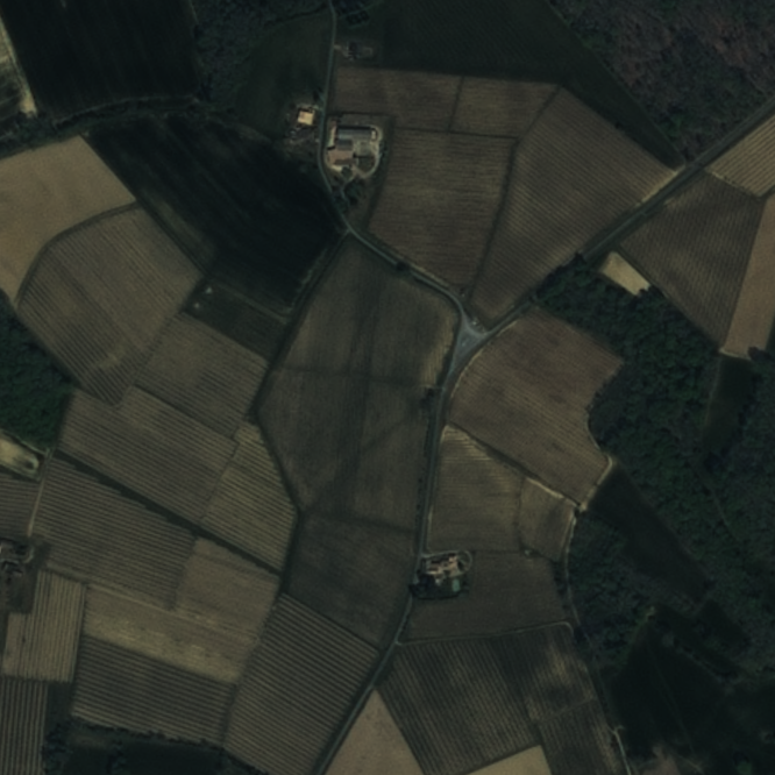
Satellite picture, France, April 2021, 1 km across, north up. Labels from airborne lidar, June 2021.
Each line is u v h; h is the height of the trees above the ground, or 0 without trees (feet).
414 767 0
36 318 0
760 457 64
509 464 0
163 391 0
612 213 0
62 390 69
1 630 0
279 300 0
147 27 0
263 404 0
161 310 0
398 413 0
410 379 0
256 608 0
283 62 0
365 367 0
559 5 58
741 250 0
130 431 0
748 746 0
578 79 0
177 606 0
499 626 0
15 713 0
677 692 0
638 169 0
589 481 0
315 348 0
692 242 0
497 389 0
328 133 0
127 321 0
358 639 0
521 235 0
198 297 0
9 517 0
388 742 0
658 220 0
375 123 0
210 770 0
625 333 57
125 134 0
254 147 0
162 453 0
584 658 58
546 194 0
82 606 0
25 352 61
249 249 0
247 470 0
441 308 0
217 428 0
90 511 0
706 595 39
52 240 0
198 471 0
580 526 32
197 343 0
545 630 0
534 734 0
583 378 0
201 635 0
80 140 0
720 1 60
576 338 0
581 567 45
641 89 48
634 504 0
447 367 0
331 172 0
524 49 0
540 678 0
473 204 0
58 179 0
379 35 0
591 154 0
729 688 63
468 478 0
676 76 48
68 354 0
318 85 0
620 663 77
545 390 0
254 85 0
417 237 0
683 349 85
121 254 0
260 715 0
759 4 65
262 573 0
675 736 0
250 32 76
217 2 42
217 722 0
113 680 0
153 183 0
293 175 0
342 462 0
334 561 0
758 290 0
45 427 73
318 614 0
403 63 0
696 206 0
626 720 0
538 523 0
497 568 0
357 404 0
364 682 0
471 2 0
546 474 0
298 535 0
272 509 0
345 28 0
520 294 0
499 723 0
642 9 49
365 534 0
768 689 0
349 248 0
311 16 19
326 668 0
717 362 52
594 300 50
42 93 0
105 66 0
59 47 0
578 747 0
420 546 0
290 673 0
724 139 43
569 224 0
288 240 0
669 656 0
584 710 0
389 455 0
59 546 0
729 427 0
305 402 0
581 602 50
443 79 0
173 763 0
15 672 0
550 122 0
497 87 0
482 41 0
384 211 0
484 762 0
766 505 68
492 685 0
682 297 0
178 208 0
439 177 0
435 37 0
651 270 0
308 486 0
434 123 0
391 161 0
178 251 0
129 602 0
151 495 0
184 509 0
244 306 0
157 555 0
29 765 0
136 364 0
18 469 0
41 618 0
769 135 0
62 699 0
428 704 0
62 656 0
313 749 0
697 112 57
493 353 0
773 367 72
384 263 0
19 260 0
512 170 0
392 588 0
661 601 42
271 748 0
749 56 43
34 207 0
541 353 0
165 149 0
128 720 0
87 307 0
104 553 0
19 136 48
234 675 0
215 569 0
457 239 0
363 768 0
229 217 0
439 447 0
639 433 76
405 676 0
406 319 0
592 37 72
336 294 0
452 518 0
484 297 0
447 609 0
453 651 0
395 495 0
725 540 76
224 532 0
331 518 0
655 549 0
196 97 0
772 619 56
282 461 0
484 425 0
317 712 0
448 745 0
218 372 0
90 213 0
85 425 0
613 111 0
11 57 0
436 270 0
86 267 0
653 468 71
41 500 0
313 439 0
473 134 0
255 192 0
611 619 31
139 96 0
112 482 0
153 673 0
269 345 0
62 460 0
